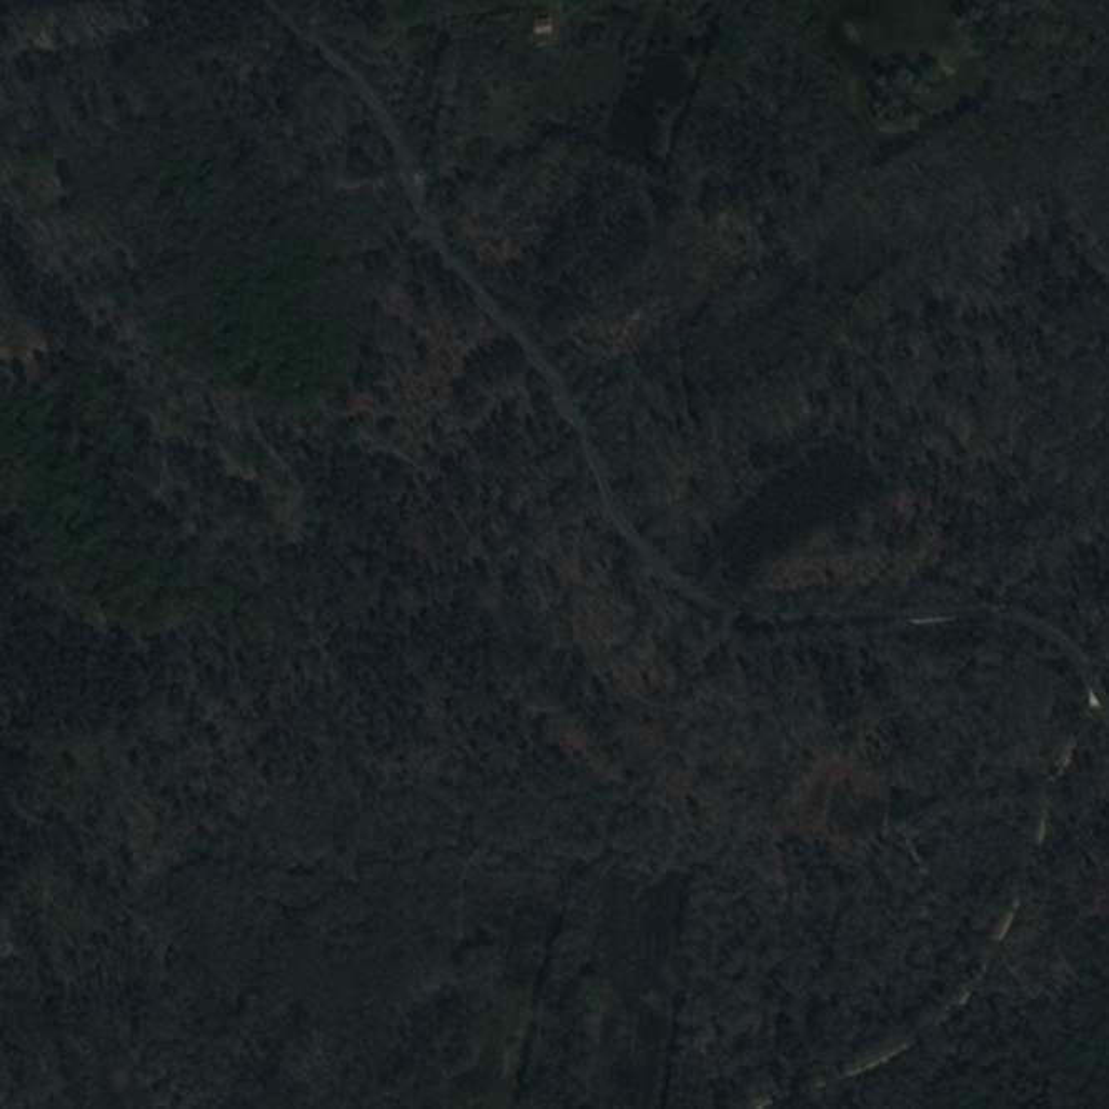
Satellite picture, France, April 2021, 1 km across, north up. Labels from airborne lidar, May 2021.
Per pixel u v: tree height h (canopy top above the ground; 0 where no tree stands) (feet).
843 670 44
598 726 53
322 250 51
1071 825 48
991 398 20
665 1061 0
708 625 65
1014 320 60
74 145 61
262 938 62
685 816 56
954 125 66
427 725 54
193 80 64
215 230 61
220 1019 66
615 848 43
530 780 57
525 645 62
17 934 46
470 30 36
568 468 52
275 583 48
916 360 77
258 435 53
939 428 51
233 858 42
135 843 40
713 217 81
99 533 73
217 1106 61
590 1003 52
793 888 48
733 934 62
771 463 47
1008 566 61
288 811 60
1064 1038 60
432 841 59
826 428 52
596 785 38
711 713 41
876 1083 40
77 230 66
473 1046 42
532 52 32
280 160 46
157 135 53
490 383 69
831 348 53
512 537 20
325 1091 55
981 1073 73
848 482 62
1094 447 50
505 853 58
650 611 56
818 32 57
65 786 76
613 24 29
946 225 42
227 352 60
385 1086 62
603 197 67
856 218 47
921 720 36
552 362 49
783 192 79
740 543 56
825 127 68
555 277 73
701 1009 58
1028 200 59
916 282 50
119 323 36
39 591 66
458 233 59
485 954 45
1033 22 69
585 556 32
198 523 46
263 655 18
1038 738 54
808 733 53
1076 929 52
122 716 52
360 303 54
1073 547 66
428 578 63
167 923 78
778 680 34
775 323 54
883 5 0
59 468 75
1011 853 68
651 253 67
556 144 70
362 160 59
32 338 0
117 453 38
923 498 31
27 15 60
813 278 24
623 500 64
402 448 34
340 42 27
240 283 52
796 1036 85
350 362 65
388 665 69
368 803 49
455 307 76
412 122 30
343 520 24
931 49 0
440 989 52
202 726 75
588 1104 26
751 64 58
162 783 38
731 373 58
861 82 0
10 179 57
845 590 47
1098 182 71
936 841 54
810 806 0
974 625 46
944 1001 55
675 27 0
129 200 55
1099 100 78
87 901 46
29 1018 57
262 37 46
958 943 34
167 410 55
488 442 41
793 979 57
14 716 31
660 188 23
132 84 64
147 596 61
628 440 53
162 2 67
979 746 59
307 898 78
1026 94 89
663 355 59
